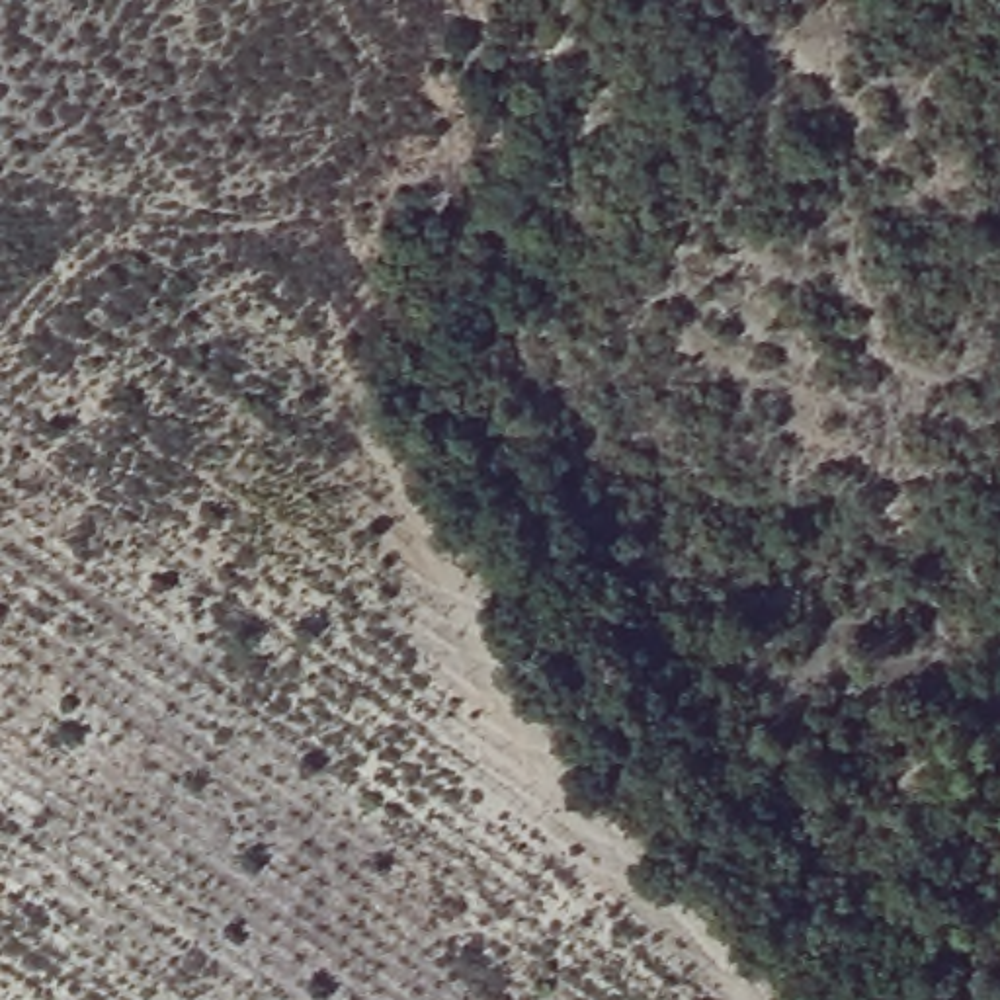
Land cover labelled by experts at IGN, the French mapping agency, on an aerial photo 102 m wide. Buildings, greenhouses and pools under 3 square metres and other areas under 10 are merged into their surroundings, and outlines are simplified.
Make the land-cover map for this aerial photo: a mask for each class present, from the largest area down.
<instances>
[{"label":"brushwood","instance_id":"1","mask_svg":"<svg viewBox=\"0 0 1000 1000\"><path fill-rule=\"evenodd\" d=\"M820 8V0H0V47L8 55H27V63L12 70L16 78H31L35 70L55 74V90L39 121H82L86 105H78V94L94 98L102 70H109L121 82L125 105H137L145 90H164L176 78H191V109H184L180 98L152 102L141 113V129L152 133L188 121L184 137L156 141L152 152H160L164 160H199V172H188L180 188L152 191L137 219L129 211V199L133 191H141V176L129 180L121 164H129L133 152L125 137H109L105 125H90L82 137L70 141V148H90L102 156V168L86 172L74 191L35 184L27 176H8L0 184V434H16V445H23V453L47 449V457L59 461L63 473H98V500L70 539L78 559L117 555L121 539L102 535L113 523L172 520L184 527L188 512H176L168 504V492L195 504L203 484L199 469H211L219 477V500L207 504L203 516L215 520V531L223 539V563H230L242 547H254L258 559L242 570L250 586L289 594L293 582H309L316 594L344 602V621H355L359 609H379V598H395L387 617L395 633L410 637L418 652V672L430 676L426 699L434 703L441 695H461V719H473V711L480 707L484 719L508 723L512 715H520L527 723H543L563 762L566 809L621 824L625 836H633L645 848V855L629 867V883L648 902L695 910L707 922L711 938H719L730 949L738 973L746 980L770 984V1000H1000V0H844V16L852 27L848 43L859 47L871 74L914 70L926 74L934 86L922 105H902L898 90H883L879 121L871 129H859L844 105L832 102V86L824 74L797 70L789 55L773 47L777 27L801 23L805 12ZM434 74H449L461 102L469 105L473 156L465 164H438L434 180L387 195L379 176L398 168V141H441L449 133V117H441V109L422 90V82ZM934 156H965V188L941 191L938 199H922L906 211V188L914 180L934 176ZM836 203L855 207L863 215L867 250L859 273L887 297V328L895 336H934V348L949 355H965V340L953 332L961 316L988 328L992 336V352L980 375L930 387L922 414H910L902 426L906 453L918 465L949 461L953 473L945 477L891 480L855 457H840L824 461L813 473V480L797 488L785 473H773V465H789L793 449L801 445L789 422V391L746 387L734 375L719 379L703 363V355L680 352V332L695 320V305L688 297H664V281H672L676 273V246L703 242L707 254H727L730 234H746L754 246H766V238L781 234H793L801 242L805 230L824 227ZM871 598H883L887 613L855 629L859 660L898 656L914 645H930L938 617H969L973 645H965V660L926 664L918 672L898 676L895 684H871L859 695H848L844 672L813 680L801 695H793L789 684L770 676L773 664L813 660V652L824 645L832 617L848 613L852 605H871ZM777 316L770 320V328L813 332V371L824 387H879L891 367L867 352V309L848 301L832 277H813L805 285L773 281Z\"/></svg>","mask_w":1000,"mask_h":1000},{"label":"vineyard","instance_id":"2","mask_svg":"<svg viewBox=\"0 0 1000 1000\"><path fill-rule=\"evenodd\" d=\"M203 484L195 504L168 492V504L176 512H188L184 527L172 520L113 523L102 535L121 539L117 555L78 559L70 539L98 500V473H63L59 461L47 457V449L23 453V445H16V434H0V1000H770V984L746 980L738 973L730 949L719 938H711L707 922L695 910L648 902L629 883V867L645 855V848L633 836H625L621 824L566 809L563 762L543 723H527L520 715H512L508 723L484 719L480 707L473 711V719H461V695H441L434 703L426 699L430 676L418 672V652L410 637L395 633L387 617L395 598H379V609H359L355 621H344V602L316 594L309 582H293L289 594L250 586L242 570L258 559L254 547H242L230 563H223V539L215 531V520L203 516L207 504L219 500V477L211 469H199Z\"/></svg>","mask_w":1000,"mask_h":1000},{"label":"bare soil","instance_id":"3","mask_svg":"<svg viewBox=\"0 0 1000 1000\"><path fill-rule=\"evenodd\" d=\"M844 0H820V8L805 12L801 23L777 27L773 47L789 55L797 70L824 74L832 86V102L844 105L859 129H871L879 121L883 90H898L902 105H922L934 86L926 74L914 70L871 74L859 47L848 43L852 27L844 16ZM27 63V55H8L0 47V184L8 176H27L35 184L74 191L86 172L102 168V156L90 148H70V141L82 137L90 125H105L109 137H125L133 152L129 164H121L129 180L141 176V191H133L129 199V211L137 219L152 191L180 188L188 172H199V160H164L160 152H152L156 141L184 137L188 121L152 133L141 129V113L152 102L180 98L184 109H191V78H176L164 90H145L137 105H125L121 82L109 70H102L94 98L78 94V105H86L82 121H39L55 90V74L35 70L31 78H16L12 70ZM422 90L441 109V117H449V133L441 141H398V168L379 176L387 195L434 180L438 164H465L473 156L469 105L461 102L449 74H434L422 82ZM965 156H934V176L914 180L906 188V211L922 199H938L941 191L965 188ZM867 250L863 215L855 207L836 203L824 227L805 230L801 242L793 234H781L766 238V246H754L746 234H730L727 254H707L703 242L676 246V273L672 281H664V297H688L695 305V320L680 332V352L703 355V363L719 379L734 375L746 387L789 391V422L801 445L793 449L789 465H773V473H785L797 488L813 480V473L824 461L840 457H855L891 480L945 477L953 473L949 461L918 465L906 453L902 426L910 414H922L930 387L980 375L992 352V336L988 328L961 316L953 332L965 340V355H949L934 348V336H895L887 328V297L859 273ZM813 277H832L848 301L867 309V352L891 367L879 387H824L813 371V332L770 328V320L777 316L773 281L805 285ZM887 613L883 598H871V605H852L848 613L832 617L824 645L813 652V660L773 664L770 676L789 684L793 695H801L813 680L844 672L848 695H859L871 684H895L898 676L918 672L926 664L965 660V645H973L969 617H938L930 645H914L898 656L859 660L855 629Z\"/></svg>","mask_w":1000,"mask_h":1000}]
</instances>
